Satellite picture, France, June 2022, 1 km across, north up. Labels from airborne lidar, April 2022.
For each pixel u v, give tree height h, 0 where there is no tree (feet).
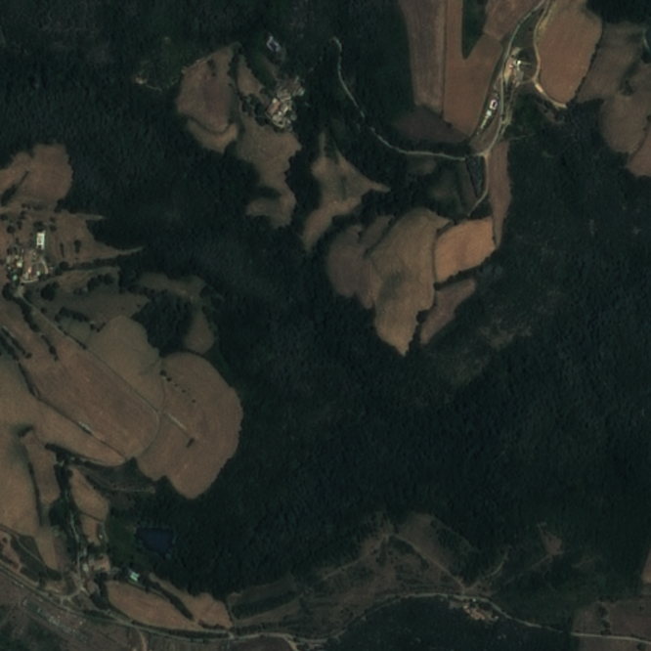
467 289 0
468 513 56
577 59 0
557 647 36
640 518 36
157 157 52
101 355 0
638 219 21
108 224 47
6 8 31
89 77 55
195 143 56
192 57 21
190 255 47
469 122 0
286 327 59
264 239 59
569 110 22
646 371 36
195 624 0
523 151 21
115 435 0
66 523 30
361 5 41
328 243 46
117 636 0
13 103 55
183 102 0
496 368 52
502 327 21
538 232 22
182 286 0
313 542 52
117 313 0
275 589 0
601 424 34
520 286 26
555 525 19
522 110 37
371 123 51
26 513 0
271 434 32
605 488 59
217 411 0
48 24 31
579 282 46
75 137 42
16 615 0
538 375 34
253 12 27
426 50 0
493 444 52
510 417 44
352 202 0
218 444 0
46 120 66
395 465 36
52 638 0
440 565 0
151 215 27
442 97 0
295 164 54
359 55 29
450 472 42
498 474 55
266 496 39
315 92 58
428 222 0
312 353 37
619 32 0
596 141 40
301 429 36
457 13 0
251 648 0
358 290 0
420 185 26
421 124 0
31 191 0
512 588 22
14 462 0
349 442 50
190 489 0
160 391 0
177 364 0
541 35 0
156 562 31
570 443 51
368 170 47
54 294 47
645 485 49
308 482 65
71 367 0
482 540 49
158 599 0
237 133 0
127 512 27
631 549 19
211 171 66
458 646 32
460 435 38
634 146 0
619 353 33
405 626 36
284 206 0
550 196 25
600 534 32
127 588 0
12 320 0
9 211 0
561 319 23
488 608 21
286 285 52
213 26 38
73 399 0
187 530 42
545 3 0
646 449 53
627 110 0
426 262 0
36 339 0
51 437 0
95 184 37
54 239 0
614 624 0
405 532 0
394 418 65
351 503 43
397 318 0
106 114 50
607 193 33
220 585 59
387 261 0
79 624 0
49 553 0
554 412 47
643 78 0
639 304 43
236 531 65
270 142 0
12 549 0
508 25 0
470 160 33
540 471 41
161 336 47
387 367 42
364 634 19
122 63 29
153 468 0
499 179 0
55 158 0
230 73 27
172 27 26
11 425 0
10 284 50
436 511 38
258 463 33
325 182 0
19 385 0
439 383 24
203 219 39
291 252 65
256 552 28
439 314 0
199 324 0
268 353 46
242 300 34
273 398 35
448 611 23
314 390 40
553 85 0
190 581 35
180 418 0
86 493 0
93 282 51
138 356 0
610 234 28
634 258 45
